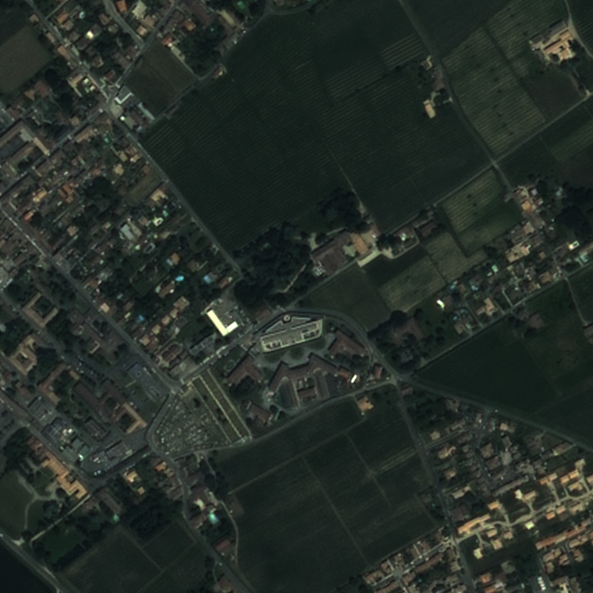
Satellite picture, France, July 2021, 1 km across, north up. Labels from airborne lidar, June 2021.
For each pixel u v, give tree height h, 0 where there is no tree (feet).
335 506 0
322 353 0
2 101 0
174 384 0
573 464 0
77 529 37
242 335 0
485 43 0
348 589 0
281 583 0
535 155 0
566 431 0
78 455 0
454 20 0
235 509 0
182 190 0
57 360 94
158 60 0
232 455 0
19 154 0
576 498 0
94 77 0
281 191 0
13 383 25
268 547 0
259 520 0
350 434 0
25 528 0
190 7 0
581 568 0
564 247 0
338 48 0
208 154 0
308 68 0
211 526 45
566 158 0
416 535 0
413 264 0
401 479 0
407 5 0
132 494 26
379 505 0
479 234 0
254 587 0
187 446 0
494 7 0
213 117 0
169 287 0
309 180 0
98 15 24
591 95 0
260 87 0
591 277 0
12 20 0
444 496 0
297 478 0
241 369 0
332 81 0
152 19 0
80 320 0
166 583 0
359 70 0
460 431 0
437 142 0
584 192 37
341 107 0
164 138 0
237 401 0
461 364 0
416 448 0
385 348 37
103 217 24
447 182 0
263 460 0
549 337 0
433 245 0
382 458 0
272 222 0
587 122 0
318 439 0
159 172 0
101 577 0
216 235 0
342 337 0
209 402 0
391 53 0
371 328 0
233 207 0
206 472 29
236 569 0
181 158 0
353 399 0
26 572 0
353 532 0
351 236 0
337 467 0
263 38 0
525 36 0
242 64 0
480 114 0
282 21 0
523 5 0
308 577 0
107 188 61
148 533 55
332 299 0
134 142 0
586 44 0
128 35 37
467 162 0
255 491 0
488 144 0
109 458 0
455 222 0
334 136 0
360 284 0
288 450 0
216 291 37
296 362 0
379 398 37
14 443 31
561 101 0
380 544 0
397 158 0
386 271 0
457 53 0
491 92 0
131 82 0
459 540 0
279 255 28
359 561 0
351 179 0
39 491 0
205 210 0
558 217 24
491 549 0
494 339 0
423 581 18
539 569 0
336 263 0
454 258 0
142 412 0
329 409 0
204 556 0
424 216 29
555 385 0
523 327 64
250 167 0
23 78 0
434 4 0
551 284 0
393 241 73
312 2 0
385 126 0
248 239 0
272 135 0
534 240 0
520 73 0
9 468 22
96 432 0
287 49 0
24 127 0
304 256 59
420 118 0
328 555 0
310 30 0
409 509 0
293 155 0
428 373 0
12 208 0
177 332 0
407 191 0
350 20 0
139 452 21
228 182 0
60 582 0
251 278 66
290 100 0
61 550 0
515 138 0
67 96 47
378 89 0
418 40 0
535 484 0
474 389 0
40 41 31
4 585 0
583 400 0
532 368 0
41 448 0
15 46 0
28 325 23
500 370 0
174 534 0
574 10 0
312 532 0
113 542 0
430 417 29
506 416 0
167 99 0
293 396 0
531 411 0
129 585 0
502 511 0
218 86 0
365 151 0
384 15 0
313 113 0
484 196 0
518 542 0
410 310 0
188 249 44
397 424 0
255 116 0
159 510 36
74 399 23
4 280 0
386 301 0
